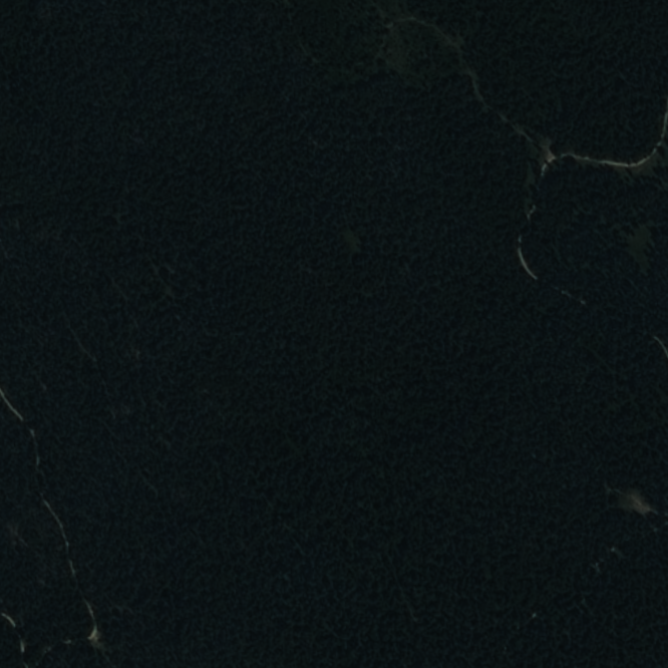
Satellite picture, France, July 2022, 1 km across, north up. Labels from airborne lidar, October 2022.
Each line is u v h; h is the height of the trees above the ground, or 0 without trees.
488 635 20
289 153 19
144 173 18
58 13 17
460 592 19
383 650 25
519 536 14
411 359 7
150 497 30
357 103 13
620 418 16
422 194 26
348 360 11
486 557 14
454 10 12
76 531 25
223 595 26
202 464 27
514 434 23
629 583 15
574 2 18
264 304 15
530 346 16
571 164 18
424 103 18
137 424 17
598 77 21
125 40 22
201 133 23
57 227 23
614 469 14
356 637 23
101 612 5
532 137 18
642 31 19
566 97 20
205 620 14
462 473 12
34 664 12
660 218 8
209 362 16
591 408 11
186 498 20
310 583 18
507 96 13
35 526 10
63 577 20
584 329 20
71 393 27
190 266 9
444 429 23
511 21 8
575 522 16
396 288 16
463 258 15
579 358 25
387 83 24
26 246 28
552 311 16
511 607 14
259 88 12
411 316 11
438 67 9
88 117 15
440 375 11
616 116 15
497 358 29
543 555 17
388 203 11
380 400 17
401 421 9
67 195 15
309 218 20
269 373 25
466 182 19
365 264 18
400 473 21
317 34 9
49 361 23
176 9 19
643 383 18
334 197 19
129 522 17
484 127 22
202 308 28
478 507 25
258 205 20
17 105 12
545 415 22
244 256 18
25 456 26
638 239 0
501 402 19
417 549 21
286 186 21
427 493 6
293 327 10
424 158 14
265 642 16
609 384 19
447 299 18
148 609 27
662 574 18
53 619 21
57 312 19
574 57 20
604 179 9
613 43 18
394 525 19
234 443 26
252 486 22
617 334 19
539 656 12
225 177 20
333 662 25
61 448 12
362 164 11
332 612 21
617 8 18
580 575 18
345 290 11
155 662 26
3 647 11
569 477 17
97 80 26
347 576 19
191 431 21
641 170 0
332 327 13
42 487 23
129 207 15
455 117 16
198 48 24
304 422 17
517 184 20
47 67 13
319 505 17
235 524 27
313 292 17
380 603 19
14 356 17
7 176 14
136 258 26
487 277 11
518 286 19
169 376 17
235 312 24
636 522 11
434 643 11
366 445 25
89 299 27
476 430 24
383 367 10
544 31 20
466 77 10
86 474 15
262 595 19
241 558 20
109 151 25
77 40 12
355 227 17
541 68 14
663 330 20
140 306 17
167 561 33
